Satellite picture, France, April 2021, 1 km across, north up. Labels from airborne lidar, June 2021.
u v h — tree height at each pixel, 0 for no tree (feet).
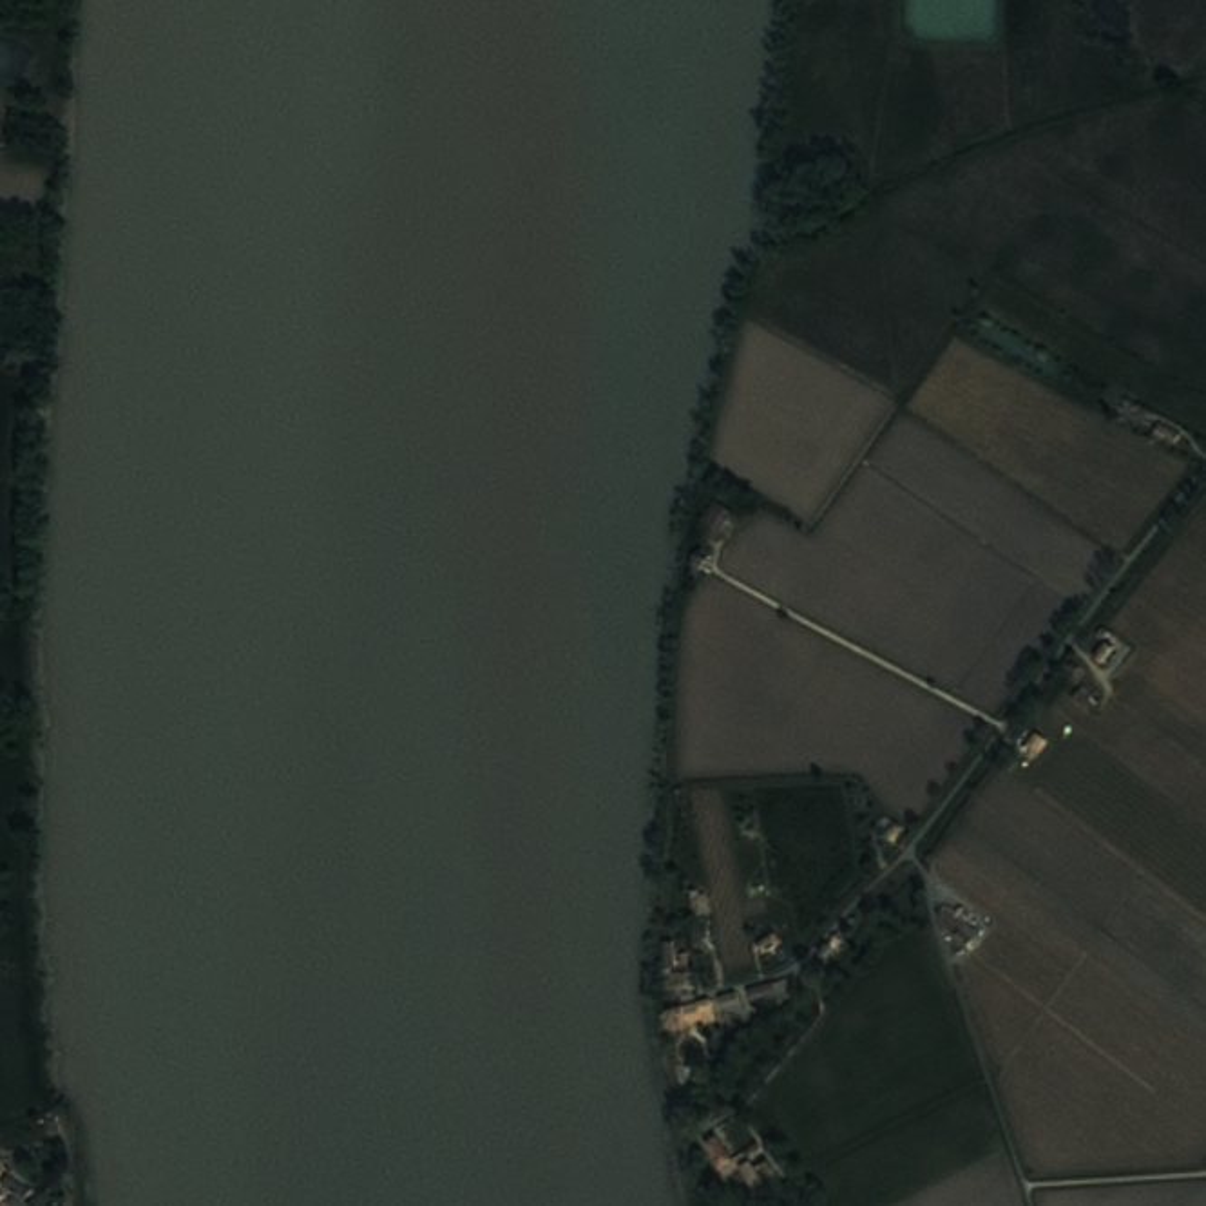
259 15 0
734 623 0
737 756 0
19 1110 0
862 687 0
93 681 0
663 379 0
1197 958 0
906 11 0
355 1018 0
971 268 0
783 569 0
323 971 0
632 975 0
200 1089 0
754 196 0
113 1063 0
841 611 0
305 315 0
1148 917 0
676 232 0
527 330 0
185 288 0
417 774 0
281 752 0
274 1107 0
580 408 0
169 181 0
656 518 0
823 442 0
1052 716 0
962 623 0
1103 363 0
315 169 0
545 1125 0
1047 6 0
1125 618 0
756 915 0
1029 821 0
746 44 0
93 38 0
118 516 0
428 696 0
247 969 0
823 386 0
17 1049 0
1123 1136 0
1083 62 0
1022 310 0
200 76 0
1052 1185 0
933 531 0
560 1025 0
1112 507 0
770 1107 0
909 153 0
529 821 0
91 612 0
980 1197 0
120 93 0
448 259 0
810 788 0
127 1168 0
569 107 0
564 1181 0
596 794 0
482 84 0
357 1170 0
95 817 0
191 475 0
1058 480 0
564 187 0
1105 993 0
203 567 0
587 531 0
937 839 0
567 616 0
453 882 0
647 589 0
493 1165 0
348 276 0
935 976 0
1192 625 0
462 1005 0
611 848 0
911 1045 0
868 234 0
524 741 0
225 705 0
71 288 0
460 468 0
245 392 0
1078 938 0
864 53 0
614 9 0
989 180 0
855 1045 0
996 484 0
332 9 0
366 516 0
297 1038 0
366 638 0
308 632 0
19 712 55
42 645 0
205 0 0
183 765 0
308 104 0
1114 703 0
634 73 0
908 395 0
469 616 0
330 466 0
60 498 0
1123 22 0
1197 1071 0
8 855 0
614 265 0
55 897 0
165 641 0
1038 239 0
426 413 0
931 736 0
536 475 0
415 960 0
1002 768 53
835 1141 0
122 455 0
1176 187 0
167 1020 0
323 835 0
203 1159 0
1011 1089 0
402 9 0
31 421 55
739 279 46
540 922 0
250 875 0
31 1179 25
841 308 0
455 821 0
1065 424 0
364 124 0
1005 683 0
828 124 0
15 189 0
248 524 0
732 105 0
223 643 0
